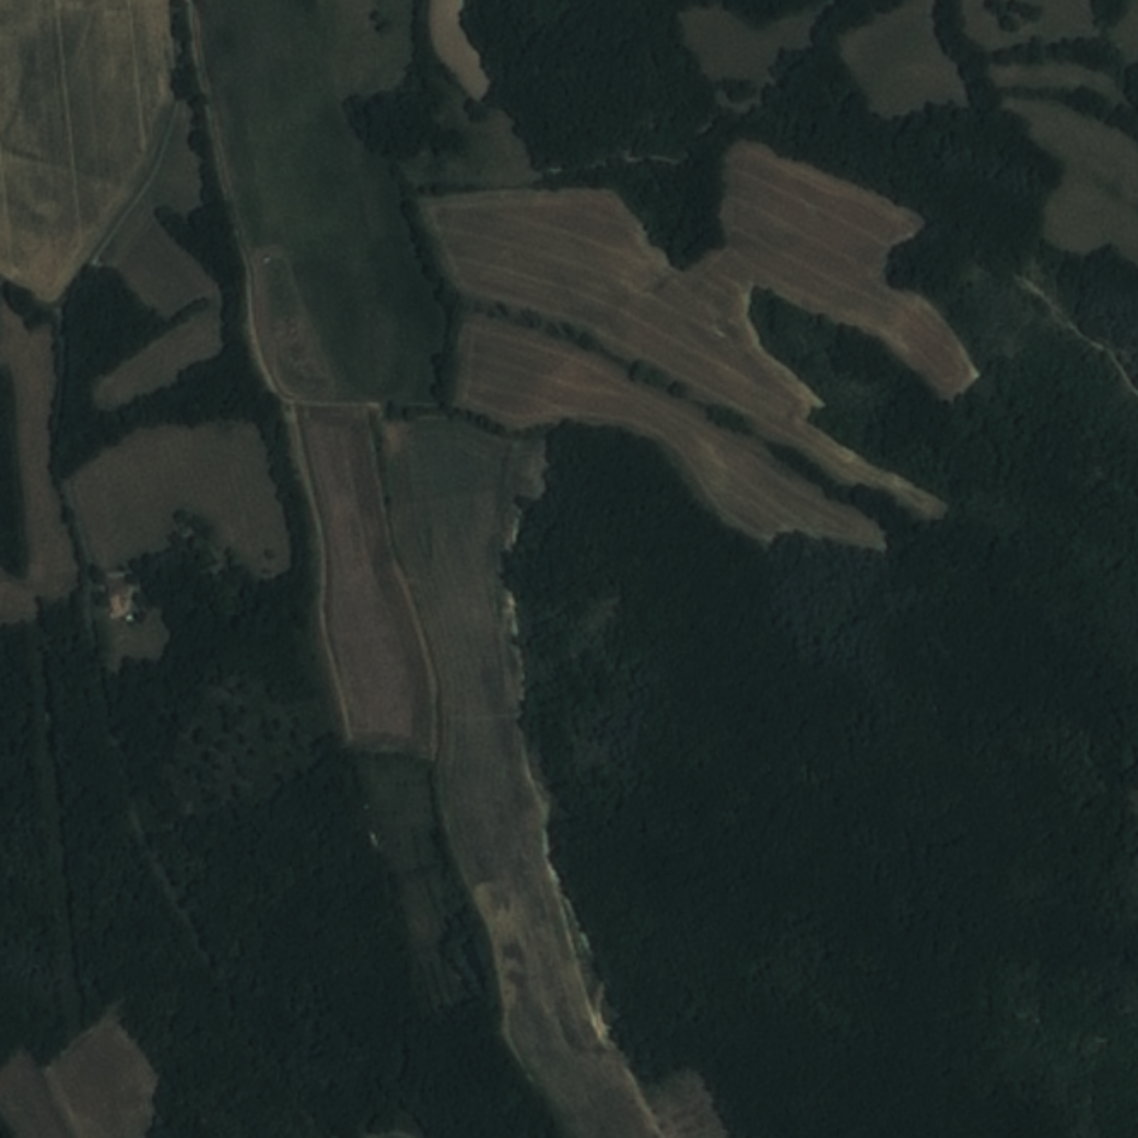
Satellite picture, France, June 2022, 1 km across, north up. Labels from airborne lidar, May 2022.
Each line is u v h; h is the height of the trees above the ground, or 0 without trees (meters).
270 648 15
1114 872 11
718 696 19
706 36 0
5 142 0
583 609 15
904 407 22
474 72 0
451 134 14
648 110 17
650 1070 18
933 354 0
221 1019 21
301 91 0
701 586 18
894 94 0
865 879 19
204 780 17
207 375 16
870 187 14
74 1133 0
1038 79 0
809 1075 15
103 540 0
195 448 0
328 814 23
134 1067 0
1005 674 26
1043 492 17
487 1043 25
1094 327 12
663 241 11
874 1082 19
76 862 18
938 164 19
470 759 0
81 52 0
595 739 9
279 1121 12
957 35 20
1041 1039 11
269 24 0
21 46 0
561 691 15
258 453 0
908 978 20
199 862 15
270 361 0
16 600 0
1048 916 21
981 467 20
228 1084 19
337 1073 27
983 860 16
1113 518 16
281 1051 24
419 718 0
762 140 12
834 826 17
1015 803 17
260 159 0
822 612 25
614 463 20
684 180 17
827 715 21
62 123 0
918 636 21
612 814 19
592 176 15
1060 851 17
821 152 15
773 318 11
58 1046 13
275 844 22
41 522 0
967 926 19
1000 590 26
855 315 0
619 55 17
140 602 11
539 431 12
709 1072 19
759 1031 16
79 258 0
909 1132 16
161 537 0
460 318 12
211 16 0
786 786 20
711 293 0
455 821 0
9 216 0
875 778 18
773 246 0
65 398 14
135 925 22
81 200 0
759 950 16
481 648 0
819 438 0
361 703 0
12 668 13
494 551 0
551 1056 0
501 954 0
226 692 19
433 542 0
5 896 16
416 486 0
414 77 9
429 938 0
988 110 17
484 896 0
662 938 17
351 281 0
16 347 0
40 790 18
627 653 18
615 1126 0
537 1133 22
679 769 14
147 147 0
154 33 0
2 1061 15
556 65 17
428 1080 21
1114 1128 13
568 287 0
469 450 0
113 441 19
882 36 0
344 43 0
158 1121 12
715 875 18
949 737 19
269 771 0
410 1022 16
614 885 20
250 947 26
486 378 0
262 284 0
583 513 16
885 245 0
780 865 17
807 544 20
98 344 15
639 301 0
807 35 0
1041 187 12
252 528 0
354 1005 23
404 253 0
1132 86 16
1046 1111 16
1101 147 0
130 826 16
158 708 19
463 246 0
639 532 18
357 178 0
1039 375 12
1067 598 18
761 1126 21
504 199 0
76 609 15
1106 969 17
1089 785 20
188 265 0
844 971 18
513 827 0
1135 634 6
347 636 0
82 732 21
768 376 0
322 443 0
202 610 9
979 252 13
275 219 0
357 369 0
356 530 0
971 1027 16
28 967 16
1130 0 16
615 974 17
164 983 21
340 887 20
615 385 0
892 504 34
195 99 13
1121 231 0
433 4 0
